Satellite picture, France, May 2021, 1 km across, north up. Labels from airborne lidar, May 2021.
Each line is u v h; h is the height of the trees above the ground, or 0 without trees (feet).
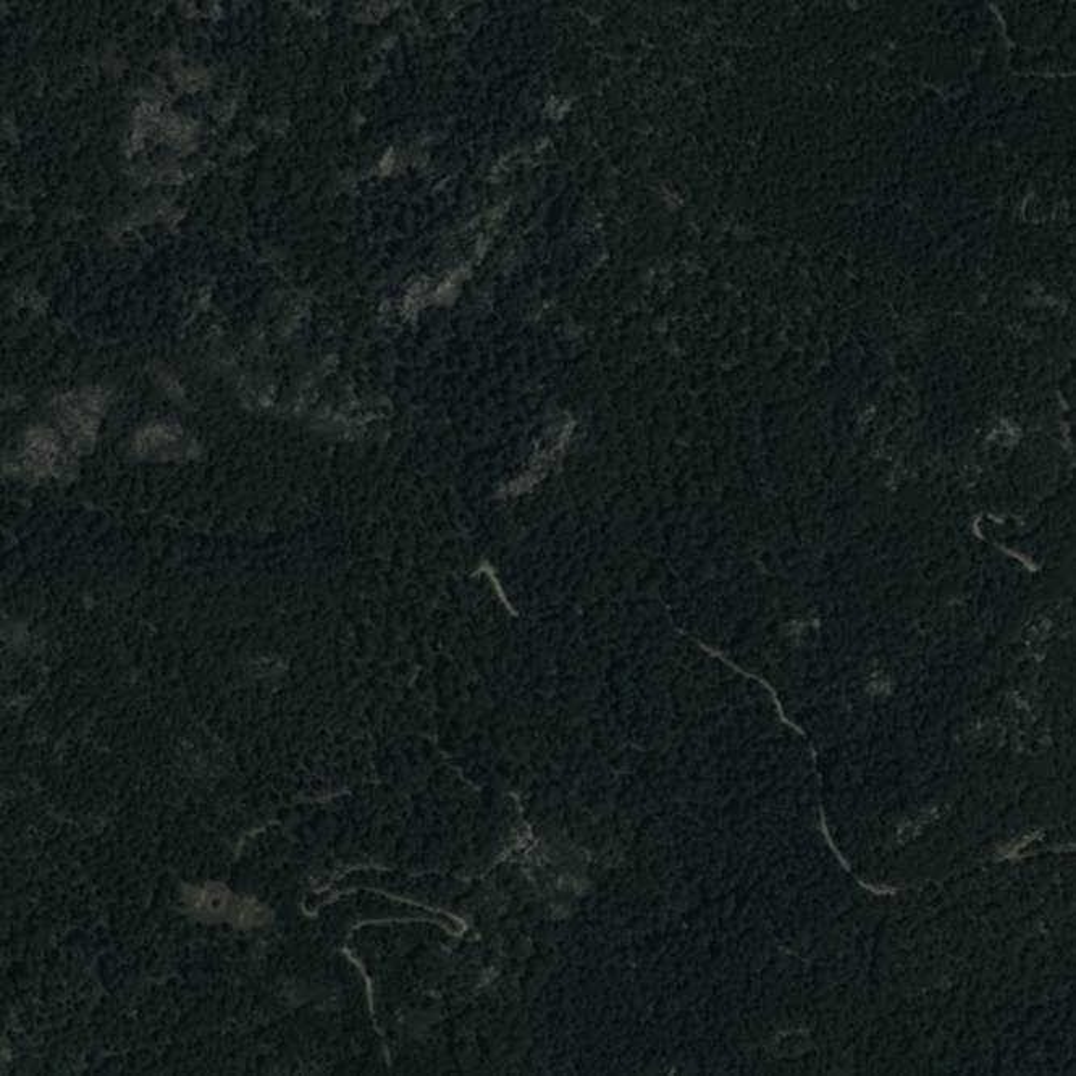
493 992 20
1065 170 43
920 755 69
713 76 100
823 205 52
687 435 85
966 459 53
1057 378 92
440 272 34
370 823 106
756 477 81
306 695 85
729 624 100
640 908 93
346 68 84
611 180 34
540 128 48
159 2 109
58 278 90
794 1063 66
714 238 99
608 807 99
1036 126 48
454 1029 93
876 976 87
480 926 62
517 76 73
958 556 75
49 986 52
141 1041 77
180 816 77
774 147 73
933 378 52
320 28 68
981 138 48
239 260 98
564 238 74
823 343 94
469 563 33
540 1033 94
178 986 74
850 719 79
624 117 64
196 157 50
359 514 53
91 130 71
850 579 74
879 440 42
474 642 108
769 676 86
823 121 59
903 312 70
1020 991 63
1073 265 82
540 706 91
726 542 74
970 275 52
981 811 77
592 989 76
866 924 75
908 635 45
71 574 100
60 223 87
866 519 59
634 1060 82
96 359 78
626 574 103
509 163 28
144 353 53
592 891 33
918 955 83
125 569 72
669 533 73
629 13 106
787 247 95
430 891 96
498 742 121
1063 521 83
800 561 77
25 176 106
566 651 103
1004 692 59
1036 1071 60
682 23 108
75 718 40
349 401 32
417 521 55
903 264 35
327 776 79
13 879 82
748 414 89
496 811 77
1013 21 76
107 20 52
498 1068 53
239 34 72
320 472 91
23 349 34
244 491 87
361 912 41
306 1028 27
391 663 105
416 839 81
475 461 96
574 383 80
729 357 89
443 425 92
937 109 50
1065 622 39
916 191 53
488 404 115
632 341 94
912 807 47
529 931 93
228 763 24
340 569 76
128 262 83
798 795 103
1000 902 89
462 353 98
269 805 90
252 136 65
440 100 81
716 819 123
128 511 67
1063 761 61
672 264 50
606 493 84
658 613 79
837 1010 83
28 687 77
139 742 45
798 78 25
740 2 71
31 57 92
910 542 75
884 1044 69
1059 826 69
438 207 83
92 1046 70
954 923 69
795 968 31
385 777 85
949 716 73
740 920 86
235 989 79
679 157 76
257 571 85
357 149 102
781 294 111
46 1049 59
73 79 65
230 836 27
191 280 64
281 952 27
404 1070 50
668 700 99
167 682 49
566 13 69
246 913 0
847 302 104
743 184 59
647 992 61
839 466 60
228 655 83
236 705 71
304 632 106
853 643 76
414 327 81
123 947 107
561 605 27
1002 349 51
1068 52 93
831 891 85
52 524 78
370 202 64
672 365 78
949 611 57
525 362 73
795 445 84
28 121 84
